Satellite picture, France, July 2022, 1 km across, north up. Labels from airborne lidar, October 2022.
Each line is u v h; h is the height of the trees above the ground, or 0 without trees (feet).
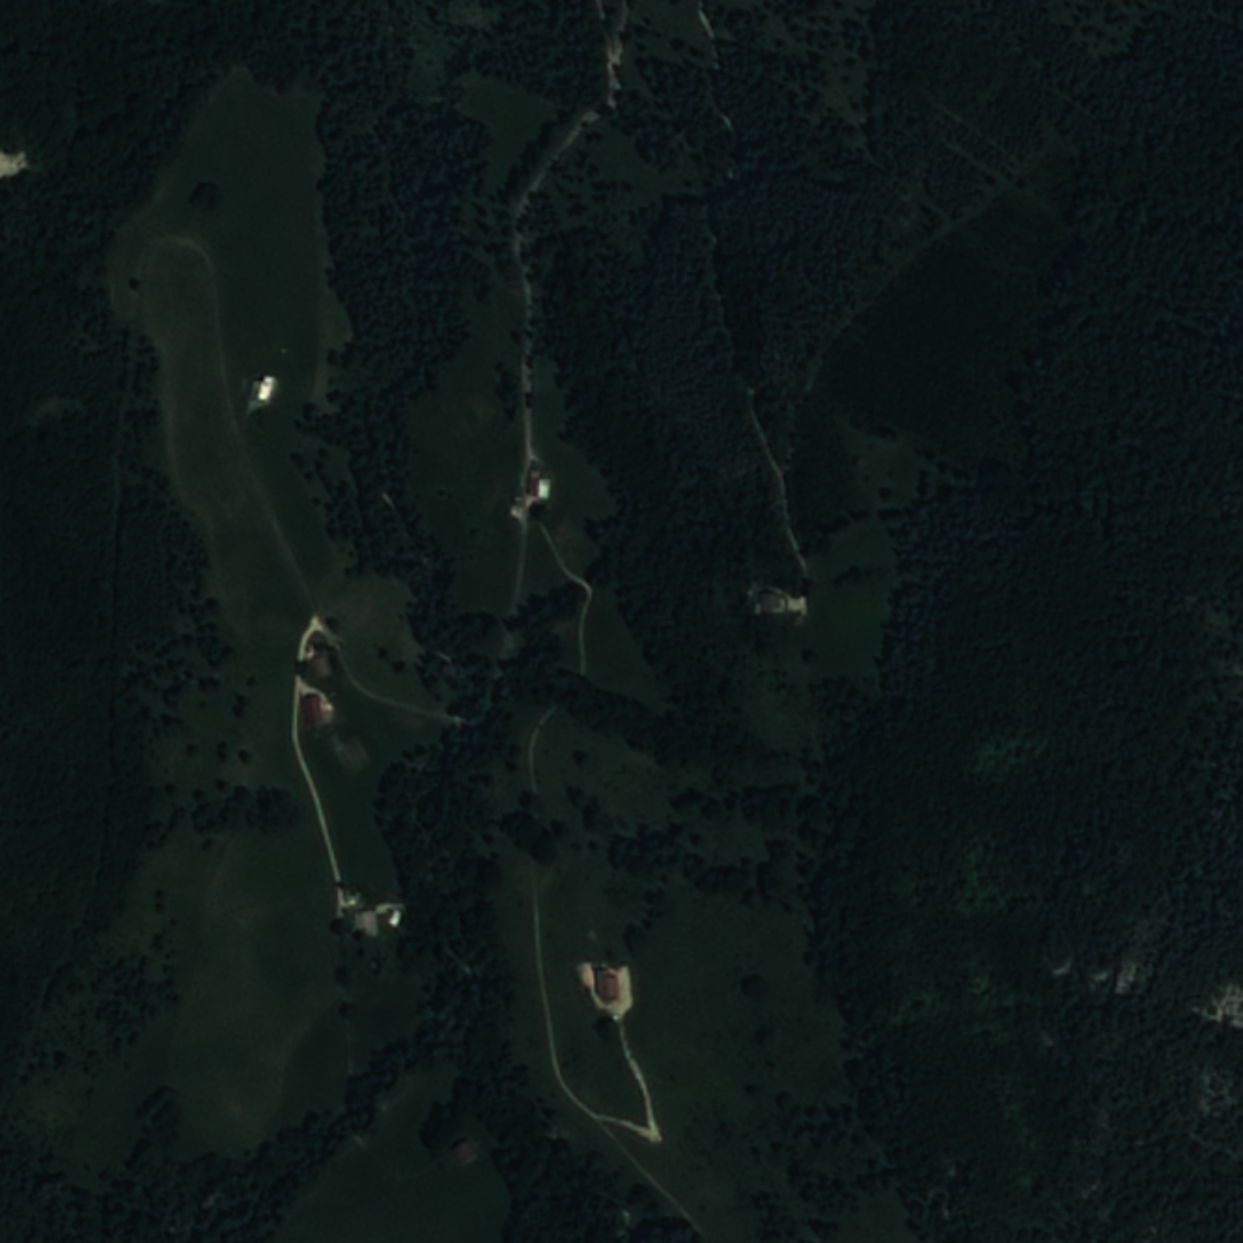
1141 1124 42
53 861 101
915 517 55
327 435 34
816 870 50
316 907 0
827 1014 0
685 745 85
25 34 114
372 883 0
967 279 19
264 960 0
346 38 39
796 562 52
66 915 50
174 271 0
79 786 100
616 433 64
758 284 42
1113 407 76
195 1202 37
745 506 23
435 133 73
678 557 84
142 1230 100
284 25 75
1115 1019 50
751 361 77
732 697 48
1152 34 50
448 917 100
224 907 0
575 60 67
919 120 57
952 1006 89
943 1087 96
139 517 66
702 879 59
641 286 37
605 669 0
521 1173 75
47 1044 24
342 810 0
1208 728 43
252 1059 0
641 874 49
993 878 83
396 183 23
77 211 92
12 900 85
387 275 36
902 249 74
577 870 0
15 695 110
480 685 92
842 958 47
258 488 0
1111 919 43
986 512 67
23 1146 19
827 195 80
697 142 43
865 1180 38
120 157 97
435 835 102
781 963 0
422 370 68
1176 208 44
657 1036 0
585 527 0
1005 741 84
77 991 43
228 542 0
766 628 43
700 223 70
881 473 0
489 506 0
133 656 28
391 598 0
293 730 0
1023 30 58
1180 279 94
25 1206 92
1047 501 63
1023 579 87
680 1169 0
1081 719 46
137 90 61
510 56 43
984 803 96
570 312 54
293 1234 0
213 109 0
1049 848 72
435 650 100
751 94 51
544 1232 79
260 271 0
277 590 0
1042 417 75
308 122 0
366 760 0
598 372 52
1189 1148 34
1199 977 56
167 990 29
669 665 74
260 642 0
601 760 0
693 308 80
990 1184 71
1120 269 81
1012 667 80
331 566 0
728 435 71
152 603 74
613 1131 0
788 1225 23
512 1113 100
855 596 0
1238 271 75
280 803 86
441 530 0
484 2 41
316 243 0
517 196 37
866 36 38
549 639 59
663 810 0
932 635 70
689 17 0
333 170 51
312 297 0
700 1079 0
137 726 72
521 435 0
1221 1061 32
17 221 65
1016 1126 72
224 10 69
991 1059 87
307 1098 0
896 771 71
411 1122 0
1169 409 75
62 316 48
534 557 0
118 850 60
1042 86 35
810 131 54
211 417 0
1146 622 63
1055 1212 45
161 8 28
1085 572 92
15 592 96
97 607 67
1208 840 62
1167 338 77
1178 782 44
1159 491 50
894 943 97
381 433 78
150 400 34
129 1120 0
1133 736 49
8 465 86
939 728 87
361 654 0
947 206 75
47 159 28
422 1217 0
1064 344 84
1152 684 63
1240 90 86
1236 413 50
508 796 0
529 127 0
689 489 30
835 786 41
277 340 0
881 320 18
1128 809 73
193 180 0
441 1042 93
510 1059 71
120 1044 41
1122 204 75
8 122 90
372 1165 0
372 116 28
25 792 109
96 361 57
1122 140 77
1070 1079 37
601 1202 104
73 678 102
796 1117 45
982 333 20
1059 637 72
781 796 52
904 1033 100
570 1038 0
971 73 58
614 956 39
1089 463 74
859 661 0
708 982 0
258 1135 0
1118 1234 40
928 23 57
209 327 0
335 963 0
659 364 71
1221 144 93
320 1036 0
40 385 50
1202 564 43
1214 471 58
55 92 102
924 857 74
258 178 0
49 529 62
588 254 44
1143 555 69
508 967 59
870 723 45
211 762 0
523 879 0
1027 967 82
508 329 0
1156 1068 43
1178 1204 49
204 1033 0
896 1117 94
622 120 34
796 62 21
